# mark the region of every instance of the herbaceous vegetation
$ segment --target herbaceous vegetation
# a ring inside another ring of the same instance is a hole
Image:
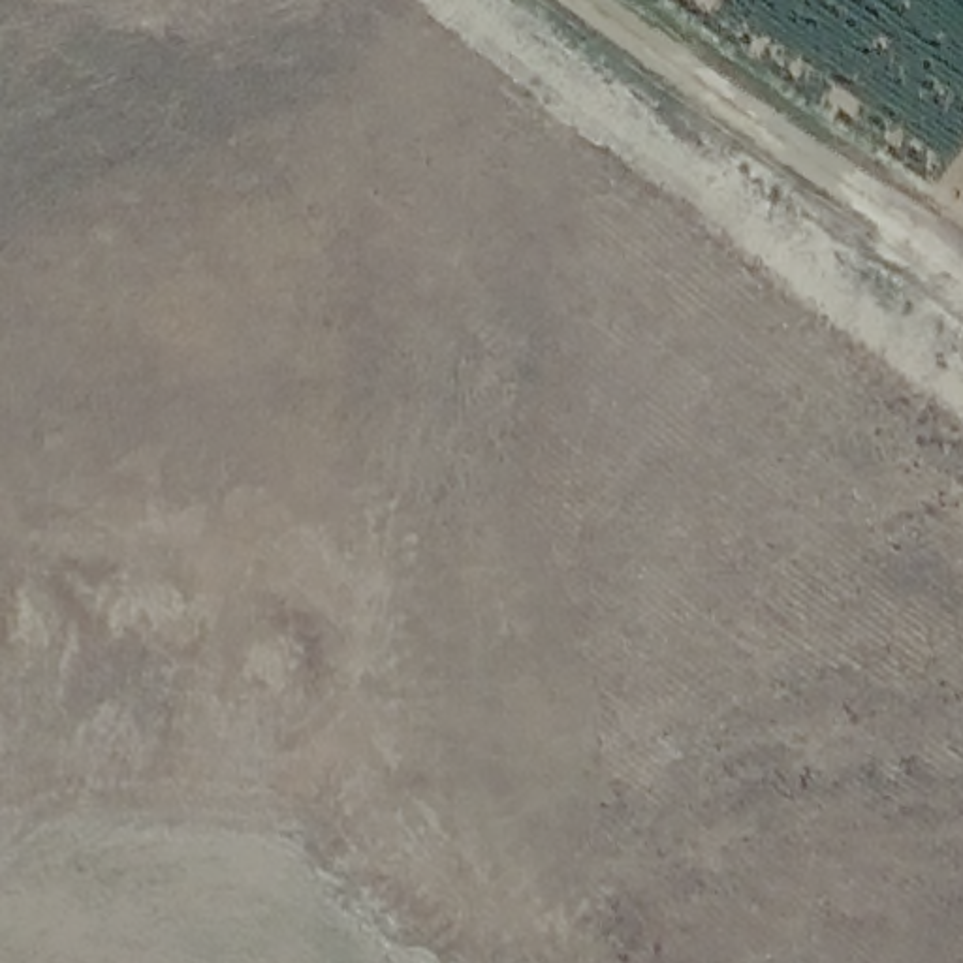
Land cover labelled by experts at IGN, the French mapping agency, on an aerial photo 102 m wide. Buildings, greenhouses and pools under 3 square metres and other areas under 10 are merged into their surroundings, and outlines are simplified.
[[[655,117],[700,158],[722,162],[730,154],[749,154],[771,173],[786,177],[805,199],[820,207],[816,226],[831,237],[839,275],[861,282],[884,312],[903,316],[910,316],[922,301],[937,301],[940,286],[929,275],[918,278],[918,271],[884,260],[876,252],[876,226],[865,214],[858,214],[846,199],[809,181],[775,150],[760,147],[730,120],[715,117],[696,98],[685,98],[666,75],[658,75],[639,56],[587,26],[560,0],[508,0],[515,8],[542,15],[572,49],[579,49],[591,60],[594,71],[606,71],[606,83],[624,83],[636,98],[651,102]]]

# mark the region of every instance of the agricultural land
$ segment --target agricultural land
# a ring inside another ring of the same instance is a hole
[[[647,26],[670,34],[707,68],[715,68],[734,87],[749,90],[752,98],[782,113],[820,147],[835,150],[854,169],[880,181],[888,192],[899,192],[903,199],[922,207],[933,218],[937,233],[963,252],[963,0],[624,0]]]
[[[568,128],[545,109],[538,109],[534,94],[523,83],[504,75],[478,49],[470,49],[421,0],[0,0],[0,963],[963,963],[963,403],[955,410],[944,410],[937,395],[914,391],[914,384],[903,372],[895,372],[850,331],[835,327],[824,312],[805,305],[797,293],[790,293],[782,278],[771,275],[771,267],[752,260],[730,233],[711,233],[703,211],[688,196],[666,192],[609,147],[583,139],[579,128]]]

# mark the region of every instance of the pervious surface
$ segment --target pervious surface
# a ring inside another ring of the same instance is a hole
[[[918,271],[918,278],[929,275],[940,286],[937,301],[922,301],[910,316],[903,316],[884,312],[861,282],[839,275],[831,237],[816,226],[820,207],[805,199],[786,177],[771,173],[749,154],[730,154],[722,162],[700,158],[655,117],[651,102],[636,98],[624,83],[606,83],[606,71],[594,71],[591,60],[579,49],[572,49],[542,15],[515,8],[508,0],[421,0],[470,49],[478,49],[504,75],[523,83],[534,94],[538,109],[545,109],[568,128],[579,128],[583,139],[609,147],[666,192],[688,196],[703,211],[711,233],[730,233],[752,260],[771,267],[771,275],[782,278],[790,293],[797,293],[805,305],[824,312],[835,327],[850,331],[895,372],[903,372],[914,384],[914,391],[937,395],[944,410],[955,410],[963,403],[963,252],[937,233],[933,218],[922,207],[903,199],[899,192],[888,192],[880,181],[854,169],[835,150],[820,147],[782,113],[752,98],[749,90],[734,87],[715,68],[707,68],[670,34],[647,26],[624,0],[560,0],[587,26],[639,56],[658,75],[666,75],[685,98],[696,98],[715,117],[730,120],[760,147],[775,150],[809,181],[846,199],[858,214],[865,214],[876,226],[876,252],[884,260]]]

